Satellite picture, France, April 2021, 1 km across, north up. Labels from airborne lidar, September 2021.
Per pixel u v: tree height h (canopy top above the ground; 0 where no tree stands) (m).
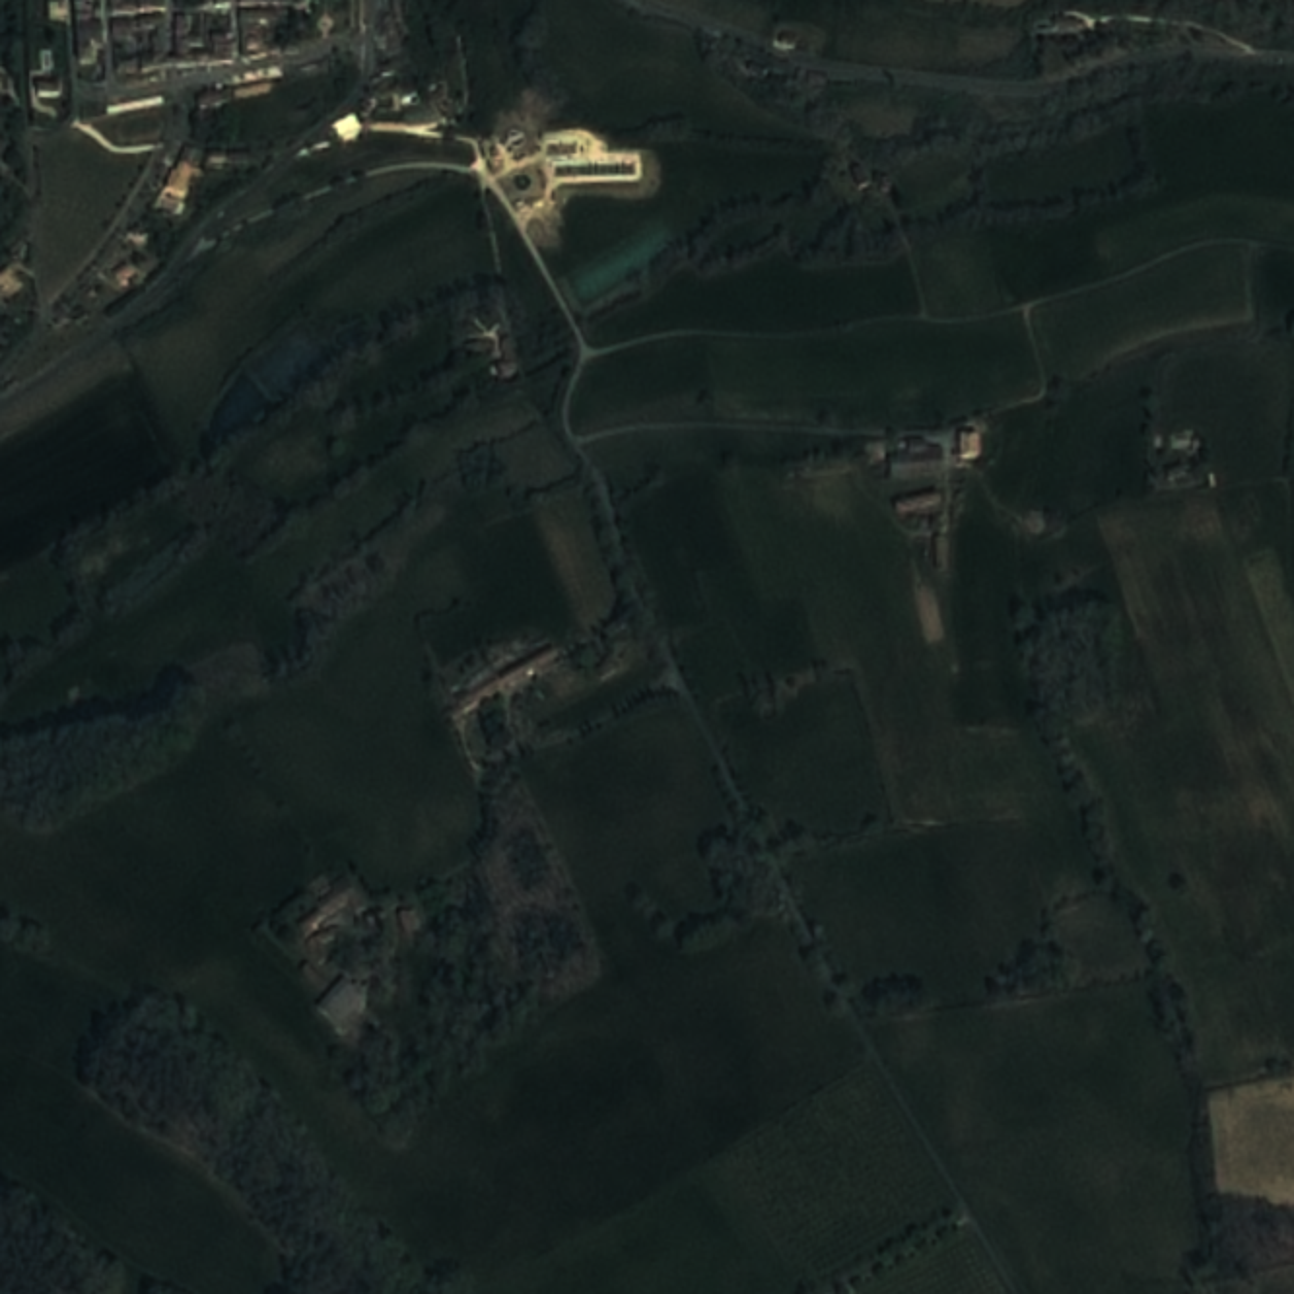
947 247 0
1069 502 0
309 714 0
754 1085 0
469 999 16
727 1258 0
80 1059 0
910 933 0
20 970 0
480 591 0
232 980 0
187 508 15
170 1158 0
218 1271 0
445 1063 13
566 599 0
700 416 0
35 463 0
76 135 0
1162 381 0
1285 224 0
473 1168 0
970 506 0
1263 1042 0
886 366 0
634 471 0
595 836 0
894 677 0
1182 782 0
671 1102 0
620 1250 0
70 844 0
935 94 6
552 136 0
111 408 0
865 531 0
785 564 0
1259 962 0
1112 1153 0
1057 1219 0
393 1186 0
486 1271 0
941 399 0
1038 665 15
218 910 0
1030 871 0
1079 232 0
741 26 0
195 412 0
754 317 0
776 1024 0
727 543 0
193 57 0
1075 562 0
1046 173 0
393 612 0
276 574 0
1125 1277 0
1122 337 0
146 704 0
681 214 0
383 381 0
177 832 0
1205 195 0
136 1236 0
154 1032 23
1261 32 19
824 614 0
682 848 0
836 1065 0
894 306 0
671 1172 0
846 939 0
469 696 0
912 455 0
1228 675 0
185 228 6
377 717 0
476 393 7
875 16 0
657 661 16
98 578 0
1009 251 0
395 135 0
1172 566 0
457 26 8
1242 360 0
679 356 0
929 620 0
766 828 12
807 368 0
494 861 18
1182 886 13
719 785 7
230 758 0
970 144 18
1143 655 0
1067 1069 0
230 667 0
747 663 0
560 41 0
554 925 10
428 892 9
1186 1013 23
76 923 0
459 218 0
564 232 0
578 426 0
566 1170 0
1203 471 15
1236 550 0
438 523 0
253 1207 13
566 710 0
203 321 0
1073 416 0
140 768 17
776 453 0
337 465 0
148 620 0
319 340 0
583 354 0
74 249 0
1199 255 0
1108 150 0
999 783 0
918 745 0
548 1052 0
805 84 13
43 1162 0
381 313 0
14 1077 0
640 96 0
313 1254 21
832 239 17
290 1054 0
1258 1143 0
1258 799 0
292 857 0
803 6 0
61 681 0
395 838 0
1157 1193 0
